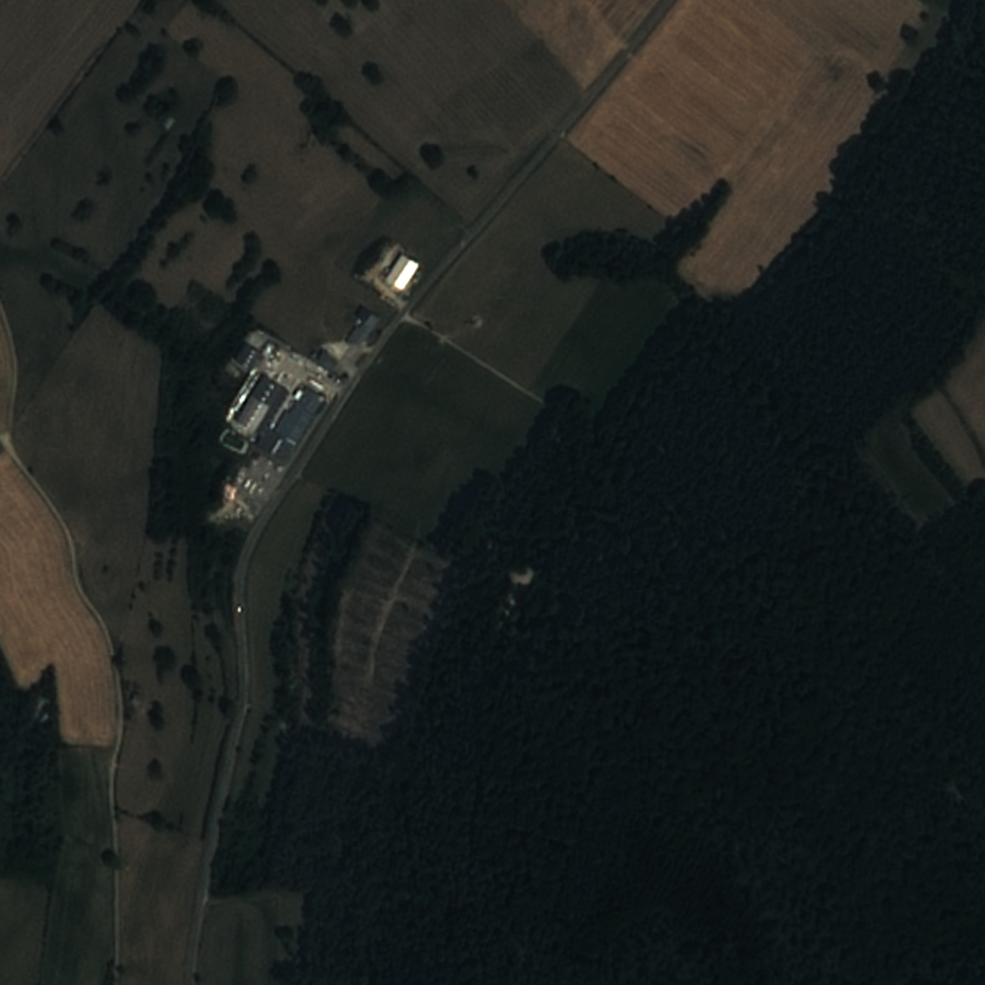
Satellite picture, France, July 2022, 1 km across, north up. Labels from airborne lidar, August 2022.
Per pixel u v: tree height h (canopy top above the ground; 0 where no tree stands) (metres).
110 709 0
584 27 0
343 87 0
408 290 0
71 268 0
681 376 32
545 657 29
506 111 0
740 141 0
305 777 27
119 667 9
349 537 8
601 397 0
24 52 0
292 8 0
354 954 22
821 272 16
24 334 0
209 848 0
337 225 0
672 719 14
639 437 29
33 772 14
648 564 29
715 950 20
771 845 28
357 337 0
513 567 19
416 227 0
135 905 0
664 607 26
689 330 21
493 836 20
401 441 0
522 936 18
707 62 0
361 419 0
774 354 15
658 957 12
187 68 0
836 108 0
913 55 0
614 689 19
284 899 0
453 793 21
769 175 0
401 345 0
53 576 0
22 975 0
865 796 18
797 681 20
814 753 21
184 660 0
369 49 0
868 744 17
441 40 0
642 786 22
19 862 7
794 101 0
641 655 9
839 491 25
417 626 0
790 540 22
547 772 17
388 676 0
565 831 23
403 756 25
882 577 19
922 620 16
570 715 20
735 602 21
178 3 0
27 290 0
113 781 0
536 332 0
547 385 0
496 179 0
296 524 0
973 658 13
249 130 0
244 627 0
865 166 22
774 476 30
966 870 26
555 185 0
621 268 21
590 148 0
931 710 18
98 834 0
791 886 15
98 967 0
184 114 0
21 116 0
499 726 24
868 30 0
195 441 7
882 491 15
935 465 16
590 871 23
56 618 0
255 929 0
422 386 0
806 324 17
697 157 0
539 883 20
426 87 0
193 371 8
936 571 12
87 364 0
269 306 0
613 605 33
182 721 0
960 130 16
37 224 0
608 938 9
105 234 0
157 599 0
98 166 0
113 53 0
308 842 25
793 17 0
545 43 0
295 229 0
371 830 24
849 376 21
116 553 0
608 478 29
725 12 0
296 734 7
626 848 9
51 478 0
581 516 32
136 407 0
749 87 0
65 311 0
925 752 20
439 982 27
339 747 27
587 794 23
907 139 13
